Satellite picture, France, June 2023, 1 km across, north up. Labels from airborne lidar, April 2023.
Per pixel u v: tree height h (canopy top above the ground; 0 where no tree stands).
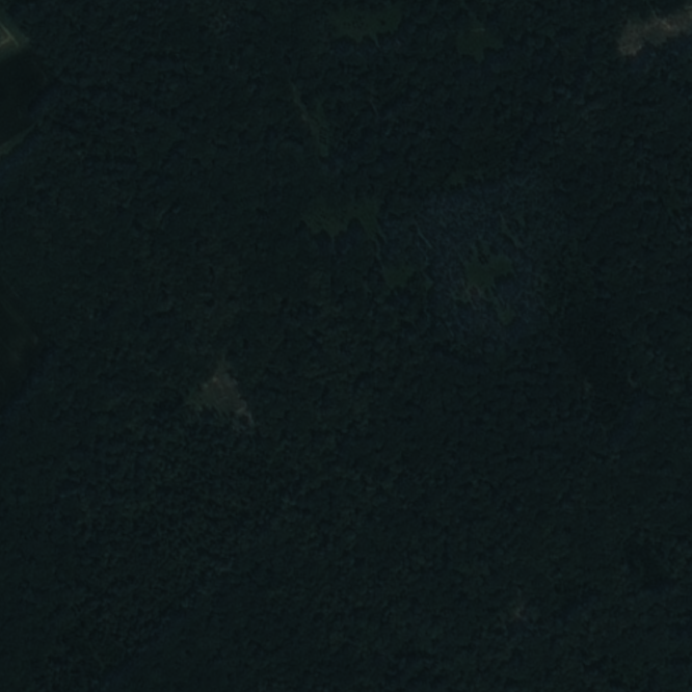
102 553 21
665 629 23
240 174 25
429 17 17
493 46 0
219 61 26
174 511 12
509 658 20
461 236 28
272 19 25
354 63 24
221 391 0
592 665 26
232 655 29
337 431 17
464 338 22
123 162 24
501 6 23
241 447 18
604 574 22
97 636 12
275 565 25
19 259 24
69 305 26
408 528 26
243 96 21
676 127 27
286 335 27
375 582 25
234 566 23
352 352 27
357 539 23
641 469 26
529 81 23
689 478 29
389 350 26
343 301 27
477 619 22
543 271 11
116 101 16
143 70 24
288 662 26
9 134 0
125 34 22
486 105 22
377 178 28
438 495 25
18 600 28
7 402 0
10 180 26
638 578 26
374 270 22
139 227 24
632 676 9
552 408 19
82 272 24
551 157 25
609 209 28
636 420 25
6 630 27
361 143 26
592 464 25
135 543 20
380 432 26
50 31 18
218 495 18
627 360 9
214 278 27
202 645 25
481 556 23
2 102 0
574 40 23
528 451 28
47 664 21
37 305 22
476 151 9
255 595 24
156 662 26
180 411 6
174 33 25
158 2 17
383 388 27
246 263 23
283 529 25
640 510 25
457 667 23
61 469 25
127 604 22
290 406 25
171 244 24
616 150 25
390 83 11
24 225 27
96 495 27
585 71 22
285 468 10
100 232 27
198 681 29
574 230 27
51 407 25
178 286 26
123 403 23
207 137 25
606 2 25
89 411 23
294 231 30
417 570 22
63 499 27
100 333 25
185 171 28
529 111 22
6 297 0
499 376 25
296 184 31
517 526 20
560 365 31
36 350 0
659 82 26
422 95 24
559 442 26
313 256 28
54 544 27
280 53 25
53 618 24
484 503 24
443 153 26
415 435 28
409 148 26
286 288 27
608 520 26
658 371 27
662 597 26
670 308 29
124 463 22
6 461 26
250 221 28
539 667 21
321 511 12
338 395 25
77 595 23
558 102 28
